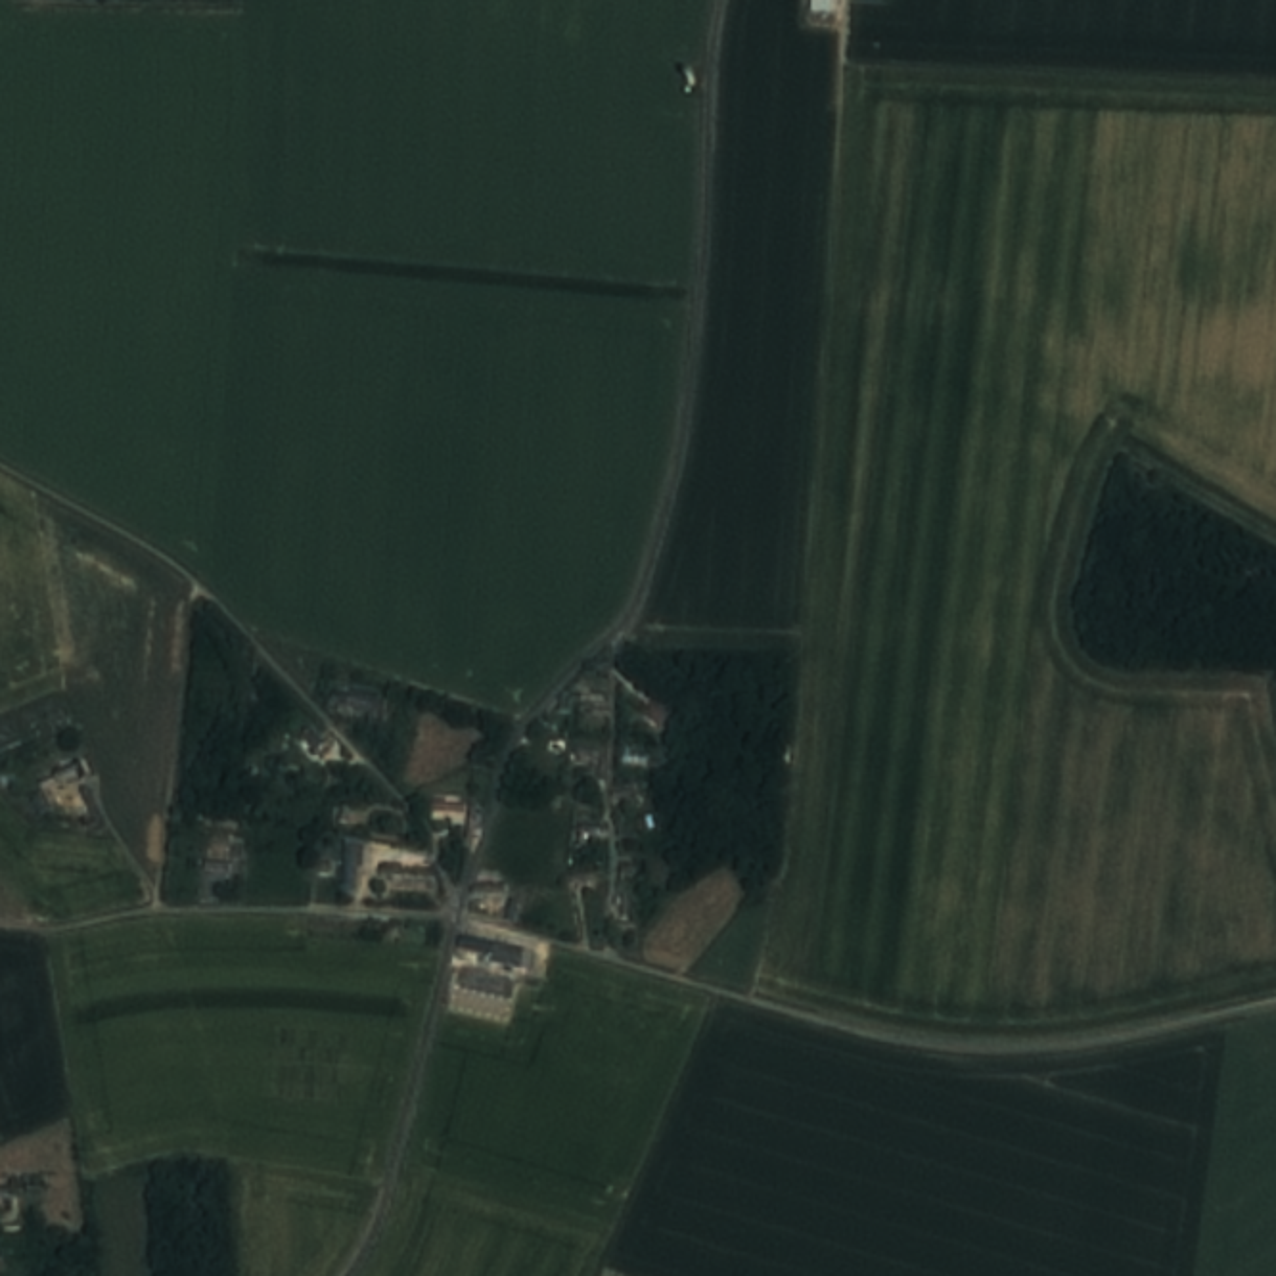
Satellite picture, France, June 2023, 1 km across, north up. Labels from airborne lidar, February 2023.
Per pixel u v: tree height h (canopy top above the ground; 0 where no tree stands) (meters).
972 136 0
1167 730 0
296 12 0
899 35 0
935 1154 0
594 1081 0
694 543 0
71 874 0
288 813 0
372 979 0
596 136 0
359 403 0
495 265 0
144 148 0
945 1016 0
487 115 0
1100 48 0
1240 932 0
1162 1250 0
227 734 13
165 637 0
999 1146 0
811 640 0
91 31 0
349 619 0
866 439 0
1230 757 0
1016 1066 0
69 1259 14
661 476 0
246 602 0
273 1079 0
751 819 17
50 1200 0
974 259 0
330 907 0
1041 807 0
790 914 0
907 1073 0
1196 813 0
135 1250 0
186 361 0
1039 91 0
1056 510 0
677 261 0
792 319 0
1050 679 0
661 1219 0
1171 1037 0
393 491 0
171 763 0
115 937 0
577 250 0
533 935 0
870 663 0
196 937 0
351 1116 0
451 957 0
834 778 0
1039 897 0
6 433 0
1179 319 0
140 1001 0
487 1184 0
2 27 0
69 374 0
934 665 0
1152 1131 0
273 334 0
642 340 0
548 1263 0
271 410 0
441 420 0
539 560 0
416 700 16
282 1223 0
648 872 7
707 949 0
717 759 20
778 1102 0
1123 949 0
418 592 0
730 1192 0
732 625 0
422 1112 0
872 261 0
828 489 0
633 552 0
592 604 0
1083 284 0
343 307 0
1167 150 0
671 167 0
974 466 0
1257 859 0
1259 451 0
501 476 0
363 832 7
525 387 0
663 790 17
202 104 0
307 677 0
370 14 0
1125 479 15
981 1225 0
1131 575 18
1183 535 14
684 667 17
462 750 0
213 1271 19
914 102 0
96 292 0
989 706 0
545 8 0
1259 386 0
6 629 0
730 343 0
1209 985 0
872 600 0
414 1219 0
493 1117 0
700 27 0
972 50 0
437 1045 0
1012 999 0
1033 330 0
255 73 0
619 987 0
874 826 0
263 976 0
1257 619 15
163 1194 19
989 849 0
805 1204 0
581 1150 0
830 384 0
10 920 0
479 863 0
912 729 0
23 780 0
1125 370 0
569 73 0
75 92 0
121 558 0
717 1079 0
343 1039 0
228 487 0
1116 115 0
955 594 0
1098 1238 0
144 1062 0
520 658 0
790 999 0
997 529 0
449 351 0
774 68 0
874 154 0
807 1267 0
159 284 0
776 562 0
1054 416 0
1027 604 0
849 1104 0
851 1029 0
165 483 0
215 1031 0
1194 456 0
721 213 0
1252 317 0
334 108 0
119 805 0
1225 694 0
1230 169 0
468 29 0
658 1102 0
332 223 0
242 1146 0
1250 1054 0
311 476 0
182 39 0
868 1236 0
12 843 0
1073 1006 0
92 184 0
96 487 0
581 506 0
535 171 0
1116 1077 0
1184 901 0
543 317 0
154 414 0
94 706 0
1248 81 0
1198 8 0
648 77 0
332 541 0
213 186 0
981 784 0
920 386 0
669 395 0
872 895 0
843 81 0
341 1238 0
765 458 0
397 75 0
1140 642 18
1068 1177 0
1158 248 0
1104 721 0
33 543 0
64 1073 0
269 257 0
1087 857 0
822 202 0
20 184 0
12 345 0
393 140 0
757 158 0
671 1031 0
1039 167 0
